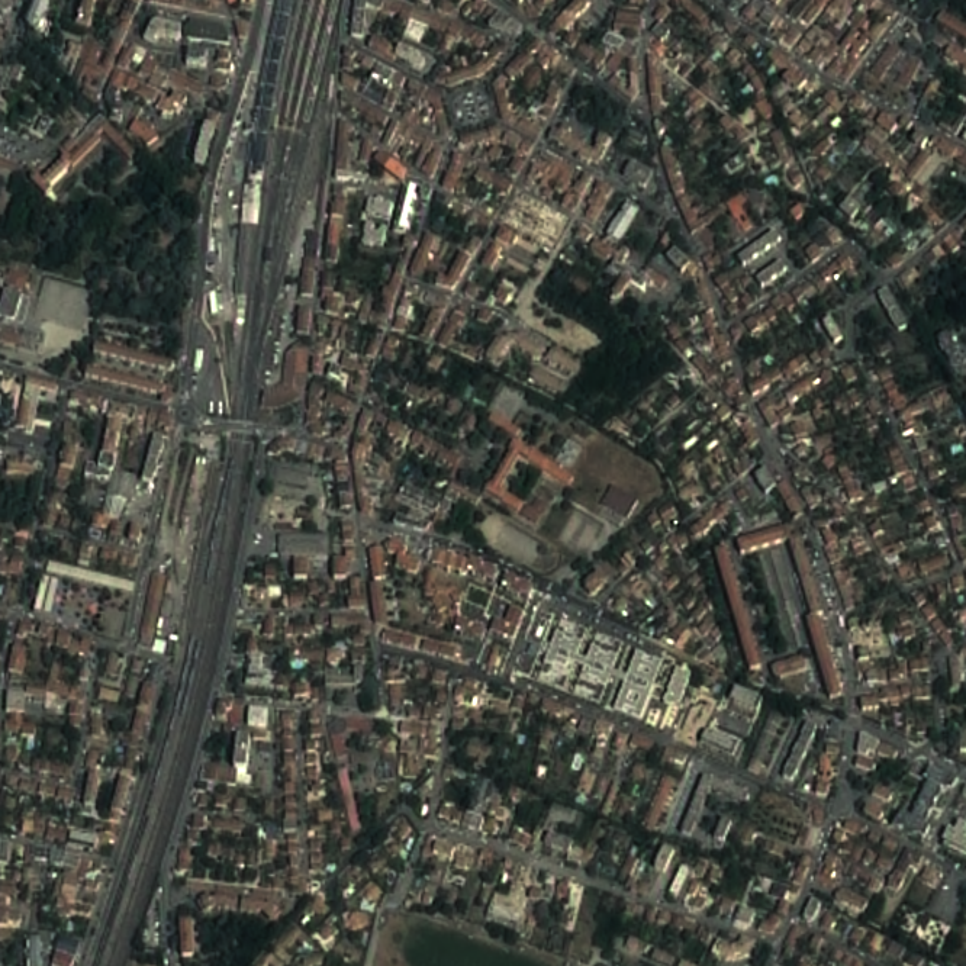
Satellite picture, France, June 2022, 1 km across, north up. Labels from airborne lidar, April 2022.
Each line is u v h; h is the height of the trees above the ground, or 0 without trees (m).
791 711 16
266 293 0
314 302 0
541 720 9
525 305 0
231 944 14
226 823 0
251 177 0
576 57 10
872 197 11
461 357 7
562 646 0
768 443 0
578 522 0
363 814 11
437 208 15
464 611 0
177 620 0
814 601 0
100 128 0
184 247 16
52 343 0
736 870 12
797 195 8
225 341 0
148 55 0
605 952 8
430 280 9
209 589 0
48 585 0
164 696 5
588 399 8
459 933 0
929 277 10
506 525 0
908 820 0
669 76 0
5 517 17
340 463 0
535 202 0
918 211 7
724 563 0
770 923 0
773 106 8
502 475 0
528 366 9
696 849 8
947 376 24
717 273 8
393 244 10
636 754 5
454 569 0
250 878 11
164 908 0
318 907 0
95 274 19
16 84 12
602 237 6
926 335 9
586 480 0
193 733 0
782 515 7
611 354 11
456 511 10
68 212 14
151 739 6
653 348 7
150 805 0
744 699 0
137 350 14
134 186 14
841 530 10
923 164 0
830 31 0
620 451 0
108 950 0
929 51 9
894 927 12
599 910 7
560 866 0
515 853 0
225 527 0
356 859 10
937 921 7
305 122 0
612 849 14
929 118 11
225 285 0
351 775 9
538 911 13
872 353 10
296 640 6
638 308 15
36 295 0
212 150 7
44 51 11
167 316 10
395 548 0
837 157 7
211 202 0
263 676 0
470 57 6
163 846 0
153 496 0
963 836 0
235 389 0
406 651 0
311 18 0
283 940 0
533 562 0
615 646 0
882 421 7
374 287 7
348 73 6
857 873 0
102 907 0
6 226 17
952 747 19
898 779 8
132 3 0
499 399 0
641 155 12
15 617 0
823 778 0
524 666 0
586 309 9
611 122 18
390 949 0
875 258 10
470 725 9
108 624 0
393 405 7
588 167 0
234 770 0
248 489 0
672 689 0
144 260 22
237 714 0
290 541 0
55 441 8
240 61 0
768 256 0
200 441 0
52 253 21
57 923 8
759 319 0
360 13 0
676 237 11
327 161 0
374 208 0
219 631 0
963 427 0
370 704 14
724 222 9
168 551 0
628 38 15
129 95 13
